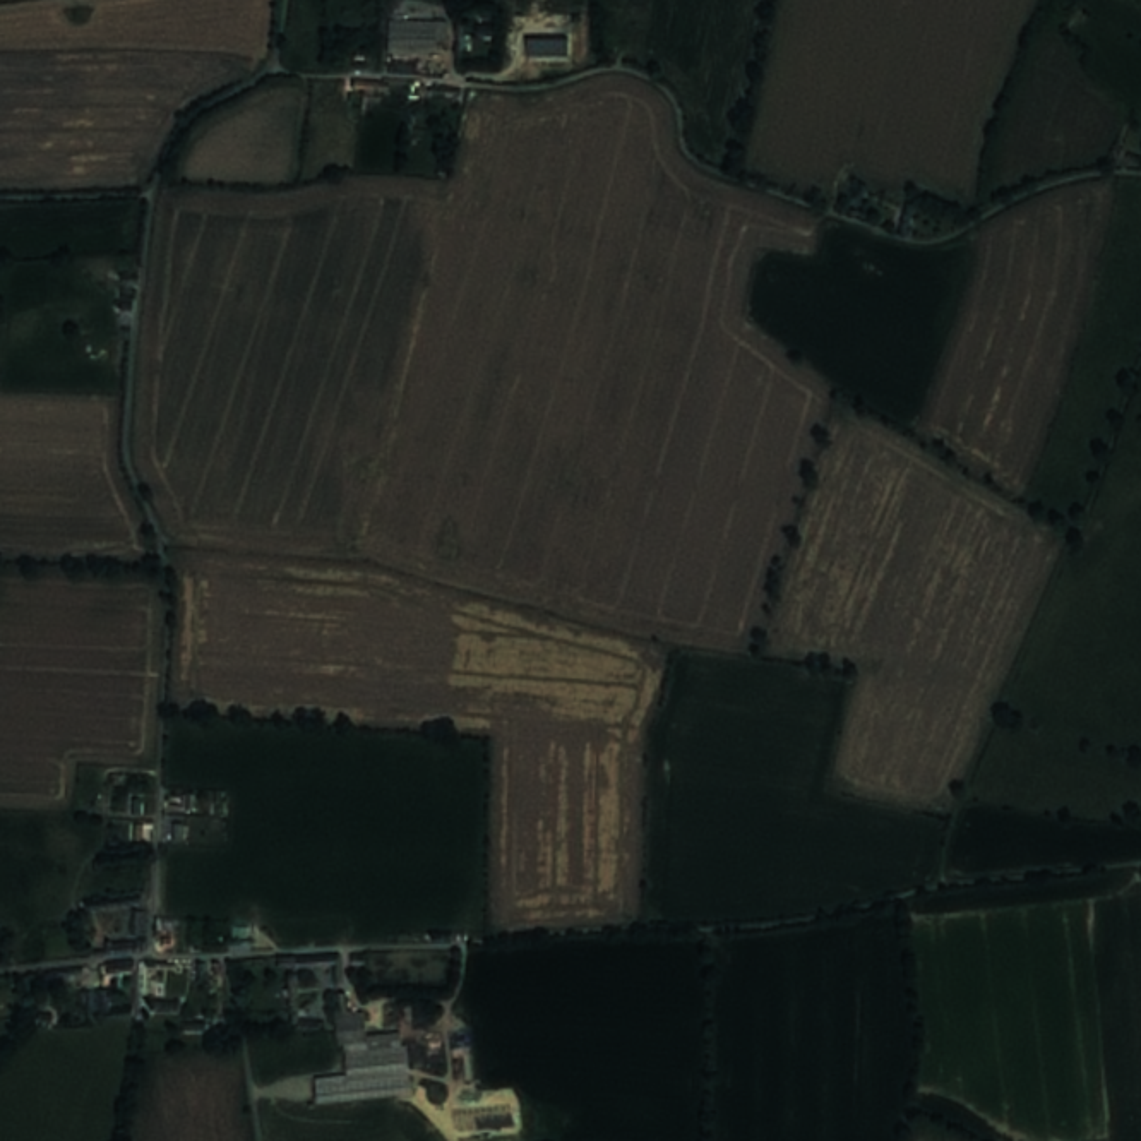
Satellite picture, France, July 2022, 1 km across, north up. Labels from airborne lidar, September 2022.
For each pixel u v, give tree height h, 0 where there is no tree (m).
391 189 0
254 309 0
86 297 0
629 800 0
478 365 0
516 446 0
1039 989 0
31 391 0
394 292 0
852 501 0
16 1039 18
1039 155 0
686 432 0
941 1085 0
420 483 0
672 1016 0
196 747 0
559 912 0
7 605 0
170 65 0
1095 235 0
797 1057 0
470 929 0
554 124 0
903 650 0
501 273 0
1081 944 0
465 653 0
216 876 0
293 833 0
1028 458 0
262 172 0
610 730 0
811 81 0
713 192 0
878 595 0
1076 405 0
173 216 0
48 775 0
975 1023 0
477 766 0
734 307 0
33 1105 0
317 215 0
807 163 0
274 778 0
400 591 0
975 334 0
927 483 0
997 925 0
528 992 0
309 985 8
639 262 0
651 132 0
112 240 0
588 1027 0
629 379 0
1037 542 0
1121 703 0
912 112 0
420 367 0
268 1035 10
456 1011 0
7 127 0
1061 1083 0
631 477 0
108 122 0
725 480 0
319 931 0
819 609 0
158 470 0
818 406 0
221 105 7
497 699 0
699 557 0
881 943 0
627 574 0
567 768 0
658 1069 0
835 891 0
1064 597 0
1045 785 0
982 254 0
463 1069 0
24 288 0
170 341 0
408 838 0
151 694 0
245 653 0
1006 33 0
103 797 0
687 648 0
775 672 0
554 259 0
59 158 0
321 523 0
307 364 0
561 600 0
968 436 0
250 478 0
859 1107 0
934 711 0
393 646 0
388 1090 0
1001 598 0
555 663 0
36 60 0
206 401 0
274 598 0
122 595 0
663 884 0
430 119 7
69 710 0
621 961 0
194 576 0
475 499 0
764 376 0
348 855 0
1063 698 0
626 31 0
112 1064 0
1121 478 0
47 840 0
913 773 0
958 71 0
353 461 0
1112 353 0
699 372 0
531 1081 0
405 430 0
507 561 0
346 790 0
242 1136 0
